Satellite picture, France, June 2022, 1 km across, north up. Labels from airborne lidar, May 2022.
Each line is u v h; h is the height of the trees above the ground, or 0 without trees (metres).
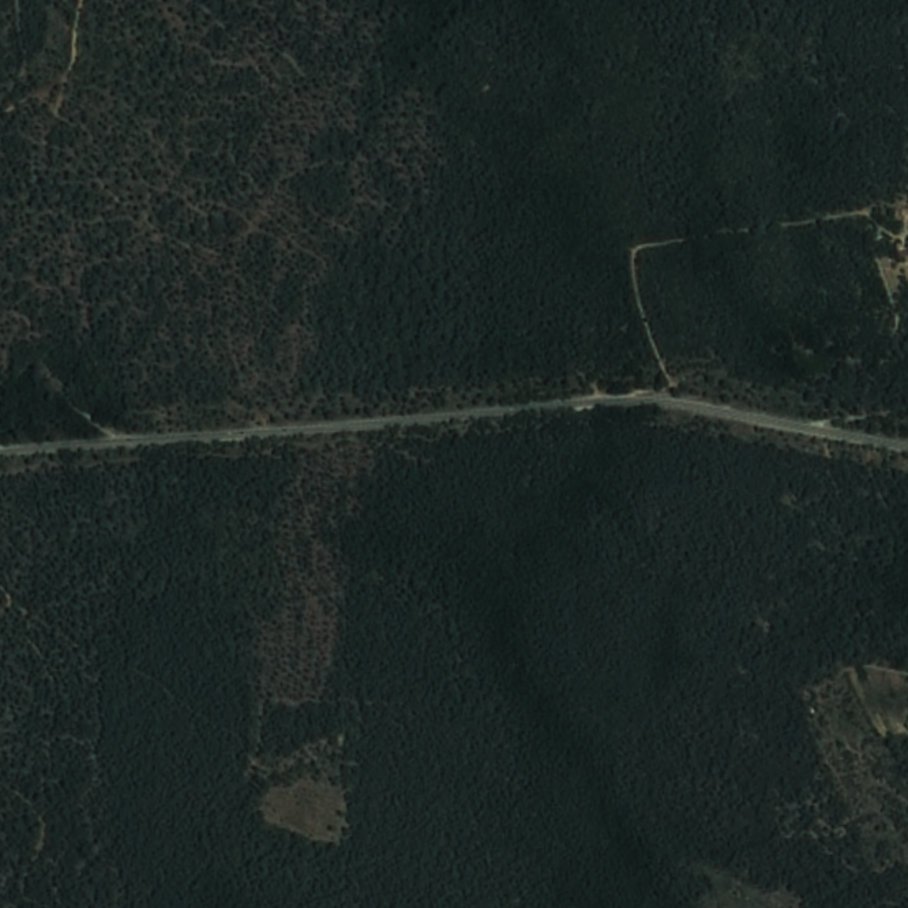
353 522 12
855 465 11
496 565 13
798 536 16
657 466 12
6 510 9
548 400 10
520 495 15
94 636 7
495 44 5
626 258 8
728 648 18
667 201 15
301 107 14
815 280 7
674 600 16
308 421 0
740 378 9
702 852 16
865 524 12
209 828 11
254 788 13
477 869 16
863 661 12
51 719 16
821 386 18
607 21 6
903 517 10
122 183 13
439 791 11
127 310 8
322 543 7
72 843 9
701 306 7
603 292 8
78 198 14
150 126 11
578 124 6
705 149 8
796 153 11
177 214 12
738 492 16
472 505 14
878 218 11
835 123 7
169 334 7
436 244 14
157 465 14
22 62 11
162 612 15
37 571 11
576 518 12
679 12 7
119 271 16
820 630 9
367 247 8
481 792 14
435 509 14
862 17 13
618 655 15
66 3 6
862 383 10
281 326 16
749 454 15
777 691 14
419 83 6
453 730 13
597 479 13
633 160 7
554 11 9
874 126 11
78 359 6
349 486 14
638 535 11
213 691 14
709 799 15
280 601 11
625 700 16
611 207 5
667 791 14
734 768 12
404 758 14
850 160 7
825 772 10
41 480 12
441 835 13
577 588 11
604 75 6
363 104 7
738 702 10
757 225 12
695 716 13
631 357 8
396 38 8
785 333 10
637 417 11
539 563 10
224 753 15
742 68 6
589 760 14
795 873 14
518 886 13
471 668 16
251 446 8
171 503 6
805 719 13
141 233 12
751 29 15
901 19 17
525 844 15
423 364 15
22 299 13
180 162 7
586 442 14
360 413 16
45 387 26
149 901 14
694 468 14
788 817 13
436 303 13
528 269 12
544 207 8
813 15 15
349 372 16
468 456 9
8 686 12
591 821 14
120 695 14
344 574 16
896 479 14
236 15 10
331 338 9
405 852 14
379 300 8
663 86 9
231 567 7
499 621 12
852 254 10
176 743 14
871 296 9
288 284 12
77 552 13
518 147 6
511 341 8
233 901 15
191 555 13
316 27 13
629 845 15
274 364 9
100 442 0
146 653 14
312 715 11
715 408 0
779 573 16
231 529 13
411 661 16
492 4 10
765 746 6
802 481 15
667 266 6
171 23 13
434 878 15
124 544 10
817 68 9
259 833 11
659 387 10
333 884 11
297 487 9
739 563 12
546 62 8
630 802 14
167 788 11
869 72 10
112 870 8
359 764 9
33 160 14
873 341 7
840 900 15
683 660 11
